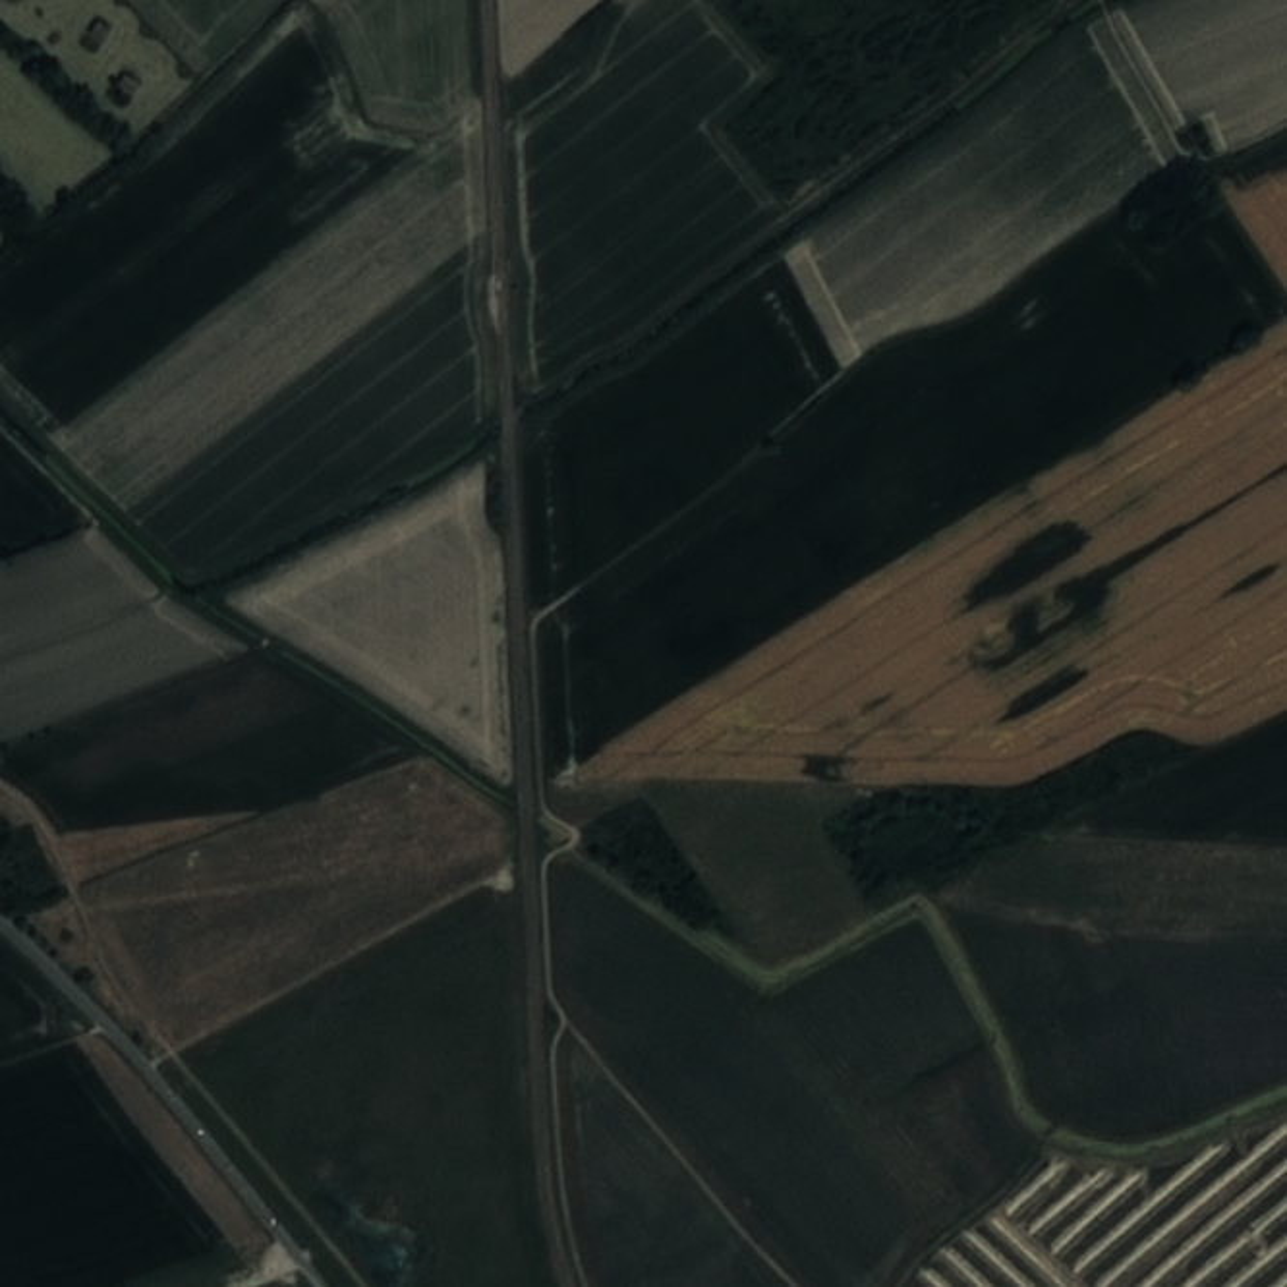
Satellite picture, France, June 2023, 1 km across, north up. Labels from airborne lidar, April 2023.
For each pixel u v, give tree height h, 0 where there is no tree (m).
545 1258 0
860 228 0
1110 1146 0
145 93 0
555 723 0
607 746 0
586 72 0
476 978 0
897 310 0
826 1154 0
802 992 0
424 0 0
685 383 0
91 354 0
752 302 0
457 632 0
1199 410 0
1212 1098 0
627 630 0
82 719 0
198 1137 0
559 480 0
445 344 0
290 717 0
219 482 0
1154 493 0
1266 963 0
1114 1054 0
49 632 0
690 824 0
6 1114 0
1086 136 0
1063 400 0
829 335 0
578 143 0
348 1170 0
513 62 0
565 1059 0
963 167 0
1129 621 0
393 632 0
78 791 0
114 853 0
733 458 0
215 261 0
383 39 0
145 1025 0
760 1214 0
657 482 0
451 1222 0
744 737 0
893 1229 0
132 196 0
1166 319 0
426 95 0
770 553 0
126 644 0
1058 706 0
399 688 0
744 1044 0
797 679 0
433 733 0
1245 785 0
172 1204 0
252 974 0
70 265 0
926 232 0
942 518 0
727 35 0
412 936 0
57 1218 0
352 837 0
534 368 0
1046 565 0
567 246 0
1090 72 0
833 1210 0
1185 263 0
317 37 0
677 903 6
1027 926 0
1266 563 0
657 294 0
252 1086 0
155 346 0
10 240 8
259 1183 0
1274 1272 0
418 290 0
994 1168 0
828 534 0
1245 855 0
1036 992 0
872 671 0
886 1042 0
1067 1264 0
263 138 0
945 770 0
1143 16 0
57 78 16
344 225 0
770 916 0
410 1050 0
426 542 0
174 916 0
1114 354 0
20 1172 0
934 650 0
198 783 0
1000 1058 0
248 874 0
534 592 0
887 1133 0
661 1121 0
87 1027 0
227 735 0
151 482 0
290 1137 0
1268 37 0
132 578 0
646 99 0
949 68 0
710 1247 0
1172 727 0
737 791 0
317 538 0
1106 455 0
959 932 0
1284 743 0
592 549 0
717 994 0
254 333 0
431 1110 0
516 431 0
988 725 0
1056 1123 0
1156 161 0
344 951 0
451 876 0
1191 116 0
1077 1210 0
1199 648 0
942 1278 0
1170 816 0
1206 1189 0
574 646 0
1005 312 0
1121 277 0
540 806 0
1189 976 0
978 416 0
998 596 0
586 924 0
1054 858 0
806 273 0
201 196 0
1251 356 0
